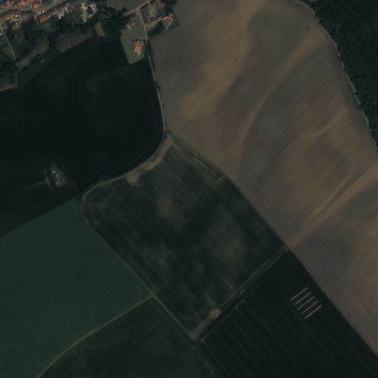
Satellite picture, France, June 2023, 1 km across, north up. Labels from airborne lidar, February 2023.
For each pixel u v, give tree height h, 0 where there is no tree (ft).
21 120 0
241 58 0
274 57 0
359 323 0
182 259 0
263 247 0
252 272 0
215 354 0
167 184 0
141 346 0
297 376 0
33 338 0
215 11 0
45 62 0
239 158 0
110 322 0
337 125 0
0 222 0
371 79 19
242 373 0
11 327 0
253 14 0
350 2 0
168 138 0
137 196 0
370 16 0
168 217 0
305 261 0
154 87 39
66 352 0
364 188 0
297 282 0
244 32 0
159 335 0
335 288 0
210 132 0
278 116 0
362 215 0
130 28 0
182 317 0
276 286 0
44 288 0
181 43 0
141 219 0
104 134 0
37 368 0
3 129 0
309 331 0
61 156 0
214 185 0
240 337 0
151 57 21
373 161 0
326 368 0
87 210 0
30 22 21
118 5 0
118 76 0
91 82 0
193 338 0
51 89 0
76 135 0
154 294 0
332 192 0
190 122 0
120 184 0
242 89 0
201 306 0
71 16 0
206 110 0
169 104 0
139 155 0
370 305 0
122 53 0
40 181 0
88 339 0
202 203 0
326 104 0
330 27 32
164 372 0
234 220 0
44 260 0
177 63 0
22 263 0
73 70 0
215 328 0
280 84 0
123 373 0
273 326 0
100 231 0
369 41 0
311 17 0
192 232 0
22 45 0
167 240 0
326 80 0
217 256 0
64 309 0
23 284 0
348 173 0
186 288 0
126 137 0
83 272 0
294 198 0
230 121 0
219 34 0
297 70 0
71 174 0
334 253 0
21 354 0
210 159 0
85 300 0
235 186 0
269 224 0
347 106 0
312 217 0
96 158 0
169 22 0
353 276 0
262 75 0
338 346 0
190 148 0
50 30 0
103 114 0
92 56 0
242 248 0
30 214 0
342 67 0
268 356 0
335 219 0
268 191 0
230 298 0
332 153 0
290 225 0
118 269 0
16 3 0
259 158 0
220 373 0
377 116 0
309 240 0
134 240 0
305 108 0
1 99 0
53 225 0
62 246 0
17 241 0
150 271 0
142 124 0
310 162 0
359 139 0
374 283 0
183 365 0
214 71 0
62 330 0
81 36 0
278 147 0
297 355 0
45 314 0
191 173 0
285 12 0
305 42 0
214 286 0
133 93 0
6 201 0
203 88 0
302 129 0
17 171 0
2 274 0
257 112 0
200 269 0
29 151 0
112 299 0
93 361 0
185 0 0
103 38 29
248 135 0
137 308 0
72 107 0
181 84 0
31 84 0
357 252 0
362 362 0
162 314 0
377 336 0
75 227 0
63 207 0
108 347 0
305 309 0
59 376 0
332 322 0
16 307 0
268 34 0
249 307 0
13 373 0
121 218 0
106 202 0
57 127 0
